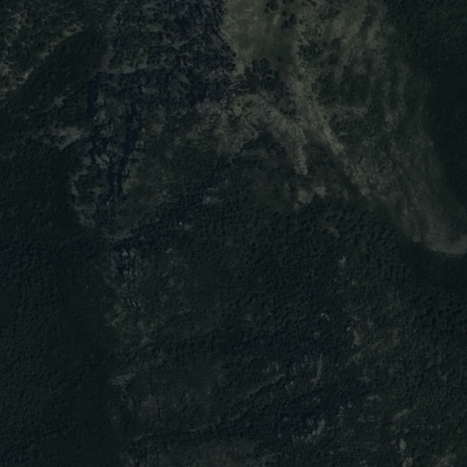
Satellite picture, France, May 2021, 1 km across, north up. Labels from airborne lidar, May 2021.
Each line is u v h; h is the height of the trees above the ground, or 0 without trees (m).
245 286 11
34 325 17
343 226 17
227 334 6
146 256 8
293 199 9
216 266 12
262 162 11
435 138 10
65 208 13
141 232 6
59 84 10
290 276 8
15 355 17
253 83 9
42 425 19
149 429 8
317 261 9
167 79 7
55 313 11
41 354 11
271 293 14
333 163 10
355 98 11
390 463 12
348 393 11
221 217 13
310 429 11
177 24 8
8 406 11
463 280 17
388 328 9
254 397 16
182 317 7
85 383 8
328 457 24
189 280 8
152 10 6
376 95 11
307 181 9
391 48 9
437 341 12
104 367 12
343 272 8
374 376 16
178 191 12
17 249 15
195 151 7
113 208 11
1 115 9
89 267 7
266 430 14
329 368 11
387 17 8
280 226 19
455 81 13
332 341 16
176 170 7
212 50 8
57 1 12
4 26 8
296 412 13
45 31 10
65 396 12
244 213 19
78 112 6
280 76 18
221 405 13
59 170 16
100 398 8
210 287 11
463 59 14
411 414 10
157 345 8
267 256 13
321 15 12
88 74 18
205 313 10
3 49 13
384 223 10
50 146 9
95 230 7
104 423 7
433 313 24
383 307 13
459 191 9
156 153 9
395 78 11
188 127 7
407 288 21
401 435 17
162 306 7
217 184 9
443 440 14
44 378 21
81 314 9
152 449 10
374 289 12
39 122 12
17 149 14
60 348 12
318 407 7
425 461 19
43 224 13
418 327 18
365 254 10
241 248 10
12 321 7
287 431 11
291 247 16
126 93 7
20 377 15
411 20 18
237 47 0
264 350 14
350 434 11
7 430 11
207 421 6
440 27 12
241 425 14
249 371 8
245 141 9
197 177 10
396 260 20
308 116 0
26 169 12
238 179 11
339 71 0
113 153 8
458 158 11
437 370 16
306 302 13
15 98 9
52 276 15
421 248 15
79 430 9
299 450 13
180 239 8
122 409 6
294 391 14
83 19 10
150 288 8
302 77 7
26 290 17
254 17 0
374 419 9
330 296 7
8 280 16
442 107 16
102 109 12
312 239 21
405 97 6
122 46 9
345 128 9
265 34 0
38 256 14
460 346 19
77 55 9
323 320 13
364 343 12
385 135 9
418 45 14
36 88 9
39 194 15
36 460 7
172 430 11
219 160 14
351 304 7
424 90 8
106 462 6
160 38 6
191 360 6
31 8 9
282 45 0
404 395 17
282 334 16
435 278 15
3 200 18
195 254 14
